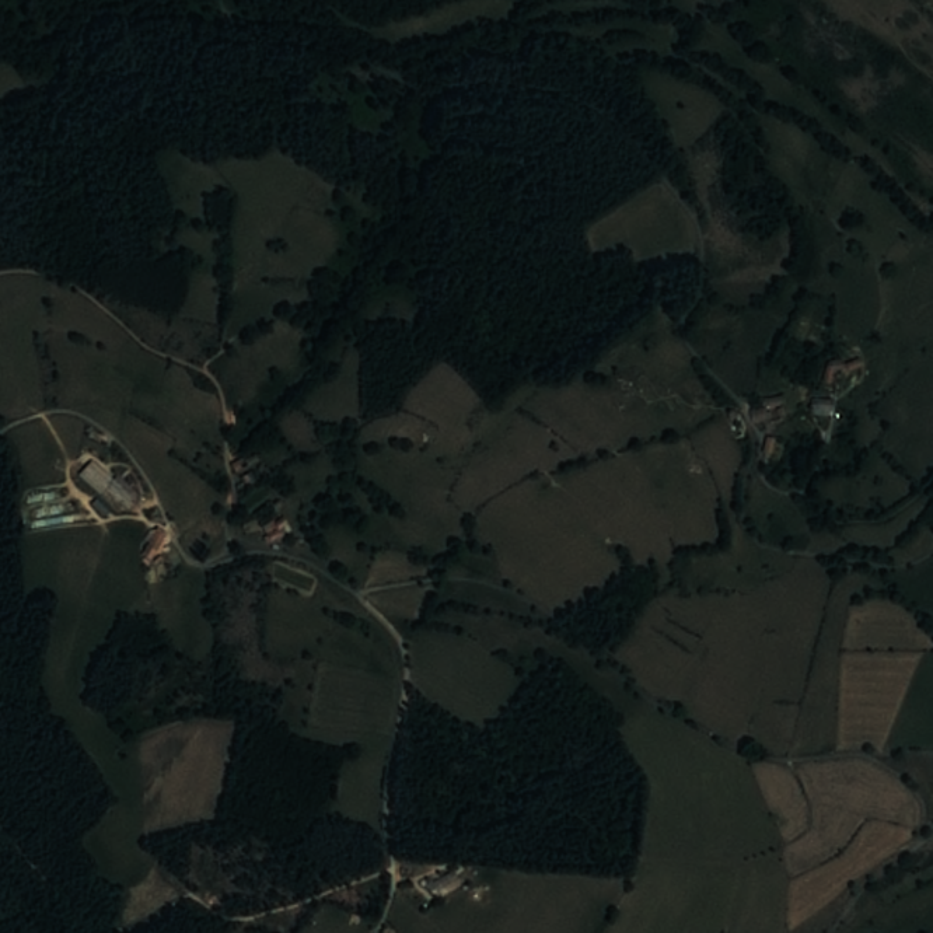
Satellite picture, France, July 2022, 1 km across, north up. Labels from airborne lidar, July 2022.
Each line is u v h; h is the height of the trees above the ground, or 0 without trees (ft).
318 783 33
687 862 0
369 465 0
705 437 0
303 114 64
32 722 76
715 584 0
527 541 0
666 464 0
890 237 0
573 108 74
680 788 0
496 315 32
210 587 21
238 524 23
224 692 26
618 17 43
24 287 0
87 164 52
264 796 36
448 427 0
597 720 48
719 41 0
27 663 43
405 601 0
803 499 49
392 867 0
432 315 53
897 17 0
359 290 73
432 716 36
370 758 0
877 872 0
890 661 0
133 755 0
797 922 0
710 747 0
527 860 50
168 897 0
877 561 52
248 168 0
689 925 0
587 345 54
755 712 0
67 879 97
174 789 0
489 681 0
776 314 0
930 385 0
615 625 60
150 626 32
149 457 0
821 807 0
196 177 0
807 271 0
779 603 0
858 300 0
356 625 51
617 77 59
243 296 0
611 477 0
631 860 53
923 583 0
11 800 84
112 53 104
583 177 94
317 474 0
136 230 44
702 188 0
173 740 0
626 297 54
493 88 67
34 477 0
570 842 63
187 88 71
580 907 0
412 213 72
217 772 0
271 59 92
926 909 0
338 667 0
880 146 23
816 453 55
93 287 38
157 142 37
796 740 0
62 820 82
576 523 0
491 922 0
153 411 0
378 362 24
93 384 0
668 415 0
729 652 0
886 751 0
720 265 0
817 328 0
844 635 0
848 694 0
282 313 53
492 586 0
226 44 107
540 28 32
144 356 0
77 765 86
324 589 0
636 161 69
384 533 0
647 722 0
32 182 35
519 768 41
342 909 37
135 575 0
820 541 0
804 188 0
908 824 0
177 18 58
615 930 0
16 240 63
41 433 0
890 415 0
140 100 108
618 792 70
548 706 64
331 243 0
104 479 0
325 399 0
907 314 0
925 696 0
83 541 0
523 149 82
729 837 0
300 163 46
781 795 0
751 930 0
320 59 93
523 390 0
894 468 35
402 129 22
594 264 34
